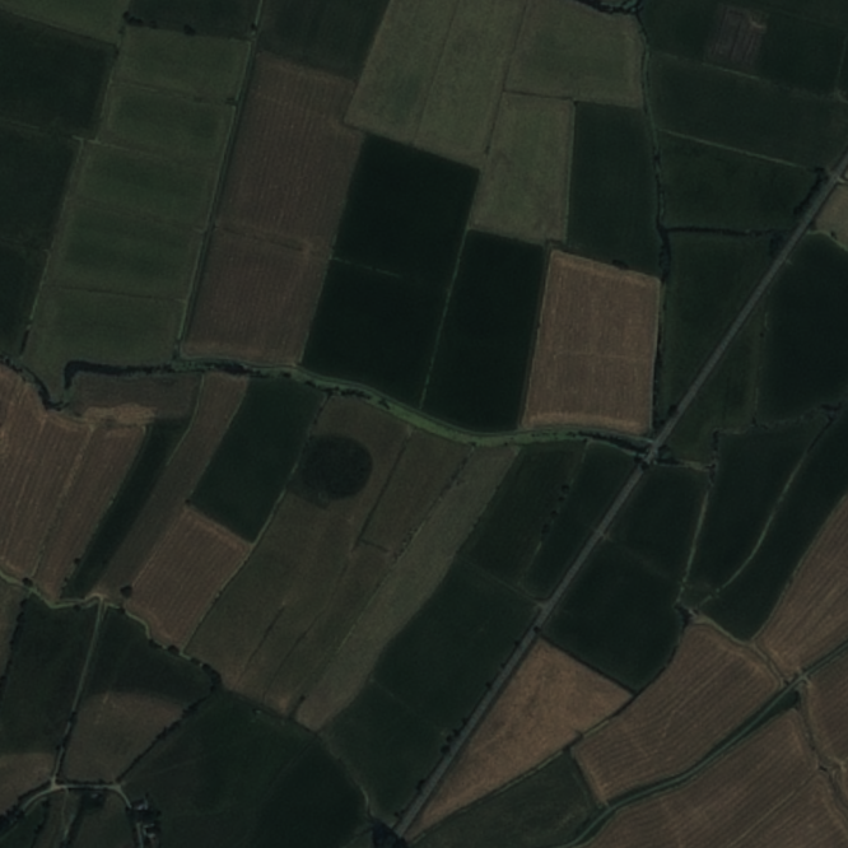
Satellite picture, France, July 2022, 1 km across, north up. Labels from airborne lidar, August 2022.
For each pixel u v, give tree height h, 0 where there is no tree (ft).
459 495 0
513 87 0
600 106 0
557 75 0
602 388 0
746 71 0
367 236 0
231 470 0
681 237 0
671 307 0
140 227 0
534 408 0
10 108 0
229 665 0
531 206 0
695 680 0
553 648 0
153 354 0
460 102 0
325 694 0
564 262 0
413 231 0
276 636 0
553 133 0
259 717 0
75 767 0
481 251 0
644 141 0
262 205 0
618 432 0
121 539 0
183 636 0
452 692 0
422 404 0
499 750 0
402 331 0
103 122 0
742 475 0
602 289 0
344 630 0
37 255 0
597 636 0
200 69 0
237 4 0
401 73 0
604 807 0
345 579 0
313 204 0
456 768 0
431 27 0
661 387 0
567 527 0
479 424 0
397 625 0
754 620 0
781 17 0
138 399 0
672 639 0
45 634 0
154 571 0
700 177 0
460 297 0
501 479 0
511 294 0
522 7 0
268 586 0
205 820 0
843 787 0
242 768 0
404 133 0
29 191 0
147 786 0
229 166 0
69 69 0
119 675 0
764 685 0
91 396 0
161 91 0
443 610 0
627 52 0
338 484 0
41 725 0
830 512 0
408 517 0
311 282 0
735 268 0
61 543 0
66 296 0
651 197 0
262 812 0
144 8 0
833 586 0
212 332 0
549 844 0
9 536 0
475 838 0
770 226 0
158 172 0
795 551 0
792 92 0
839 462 0
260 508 0
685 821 0
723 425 0
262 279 0
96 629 0
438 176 0
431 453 0
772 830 0
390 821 0
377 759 0
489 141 0
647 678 0
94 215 0
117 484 0
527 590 0
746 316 0
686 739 0
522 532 0
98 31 0
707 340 0
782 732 0
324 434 0
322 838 0
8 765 0
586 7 0
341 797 0
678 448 0
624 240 0
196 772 0
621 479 0
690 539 0
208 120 0
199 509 0
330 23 0
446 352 0
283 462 0
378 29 0
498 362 0
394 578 0
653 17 0
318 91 0
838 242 0
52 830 0
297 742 0
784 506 0
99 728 0
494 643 0
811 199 33
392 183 0
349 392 0
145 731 0
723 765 0
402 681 0
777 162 0
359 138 0
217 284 0
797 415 0
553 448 0
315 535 0
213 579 0
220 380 0
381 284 0
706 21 0
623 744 0
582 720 0
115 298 0
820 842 0
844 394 0
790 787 0
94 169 0
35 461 0
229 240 0
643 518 0
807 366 0
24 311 0
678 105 0
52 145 0
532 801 0
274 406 0
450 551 0
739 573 0
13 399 0
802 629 0
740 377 0
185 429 0
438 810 0
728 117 0
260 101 0
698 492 0
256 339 0
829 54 0
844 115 0
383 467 0
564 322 0
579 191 0
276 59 0
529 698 0
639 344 0
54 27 0
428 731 0
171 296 0
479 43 0
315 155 0
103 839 0
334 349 0
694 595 0
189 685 0
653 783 0
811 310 0
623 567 0
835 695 0
